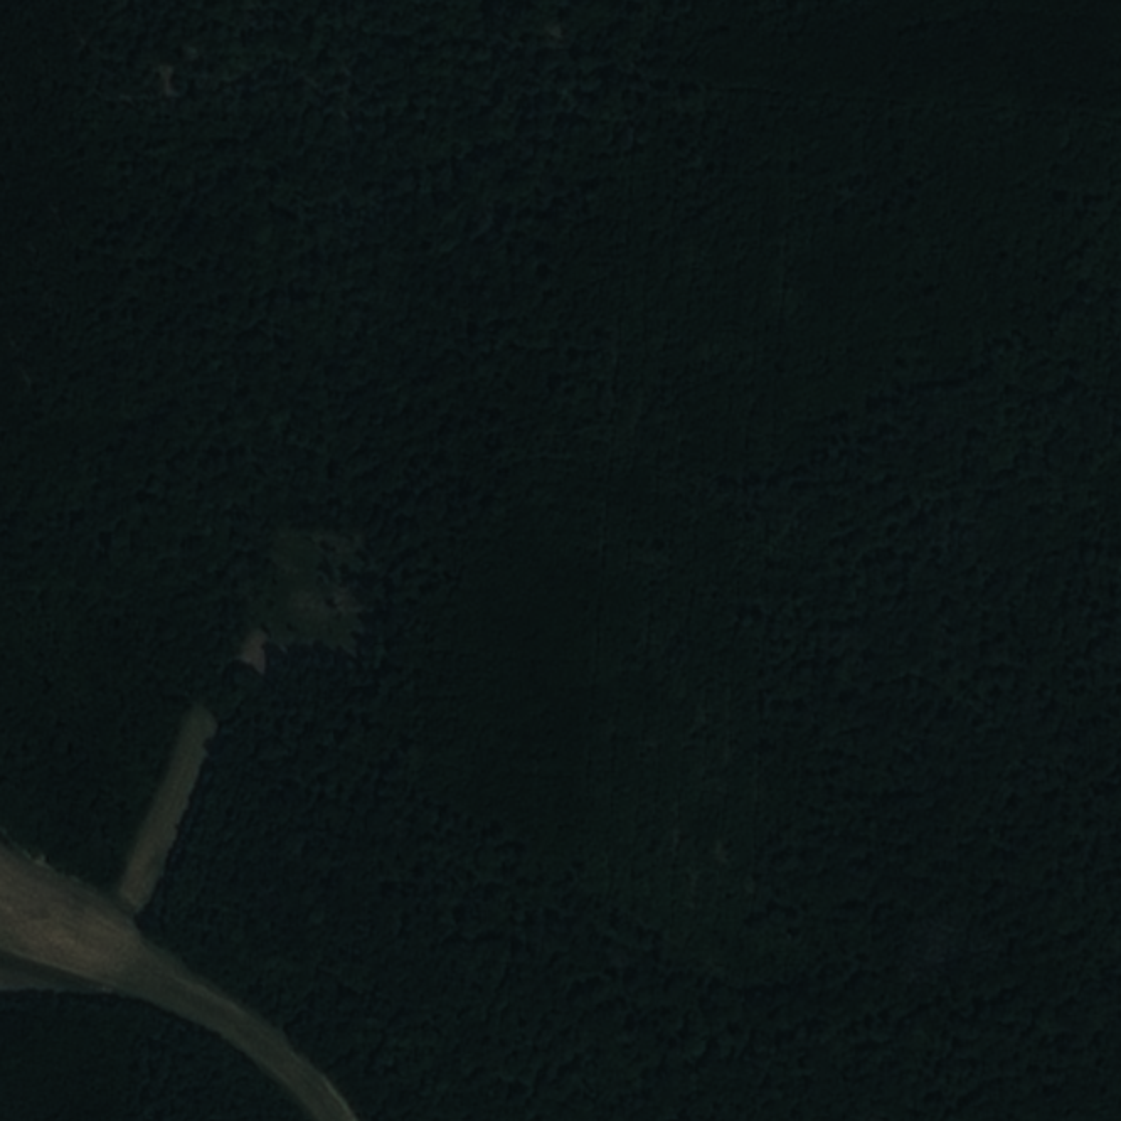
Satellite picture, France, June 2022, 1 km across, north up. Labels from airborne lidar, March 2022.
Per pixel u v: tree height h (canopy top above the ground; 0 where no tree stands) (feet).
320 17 71
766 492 60
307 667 77
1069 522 28
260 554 74
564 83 75
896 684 50
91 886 21
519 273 77
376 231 86
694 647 34
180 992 0
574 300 26
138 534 82
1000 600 76
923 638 59
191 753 0
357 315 85
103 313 45
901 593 22
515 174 73
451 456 73
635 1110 66
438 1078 89
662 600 20
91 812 46
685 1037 80
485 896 70
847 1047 43
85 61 55
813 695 52
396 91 93
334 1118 0
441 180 67
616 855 23
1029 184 24
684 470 20
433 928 67
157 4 68
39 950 0
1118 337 56
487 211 87
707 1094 59
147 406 35
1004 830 49
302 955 73
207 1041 64
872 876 57
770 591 36
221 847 82
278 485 75
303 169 94
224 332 87
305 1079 0
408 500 85
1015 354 41
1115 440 60
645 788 19
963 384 57
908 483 66
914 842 48
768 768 18
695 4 35
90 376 61
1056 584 68
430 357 73
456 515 74
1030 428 68
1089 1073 52
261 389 87
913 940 55
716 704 20
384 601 48
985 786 55
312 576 0
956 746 51
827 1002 69
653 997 83
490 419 75
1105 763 73
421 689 20
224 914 67
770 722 35
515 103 59
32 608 0
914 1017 60
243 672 73
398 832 55
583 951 63
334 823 42
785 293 24
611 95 84
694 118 44
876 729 68
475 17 71
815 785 48
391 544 75
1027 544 66
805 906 57
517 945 73
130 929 0
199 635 80
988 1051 69
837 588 52
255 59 58
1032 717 70
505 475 41
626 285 20
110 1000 42
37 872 0
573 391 70
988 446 60
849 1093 69
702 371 22
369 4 69
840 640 63
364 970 48
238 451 73
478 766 19
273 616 0
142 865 0
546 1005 60
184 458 80
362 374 73
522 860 44
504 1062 49
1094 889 49
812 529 55
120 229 69
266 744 86
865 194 61
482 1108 64
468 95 61
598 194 64
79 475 74
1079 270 58
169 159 21
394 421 85
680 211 28
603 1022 67
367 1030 76
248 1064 60
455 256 74
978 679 60
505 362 76
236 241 82
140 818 33
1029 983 62
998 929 41
